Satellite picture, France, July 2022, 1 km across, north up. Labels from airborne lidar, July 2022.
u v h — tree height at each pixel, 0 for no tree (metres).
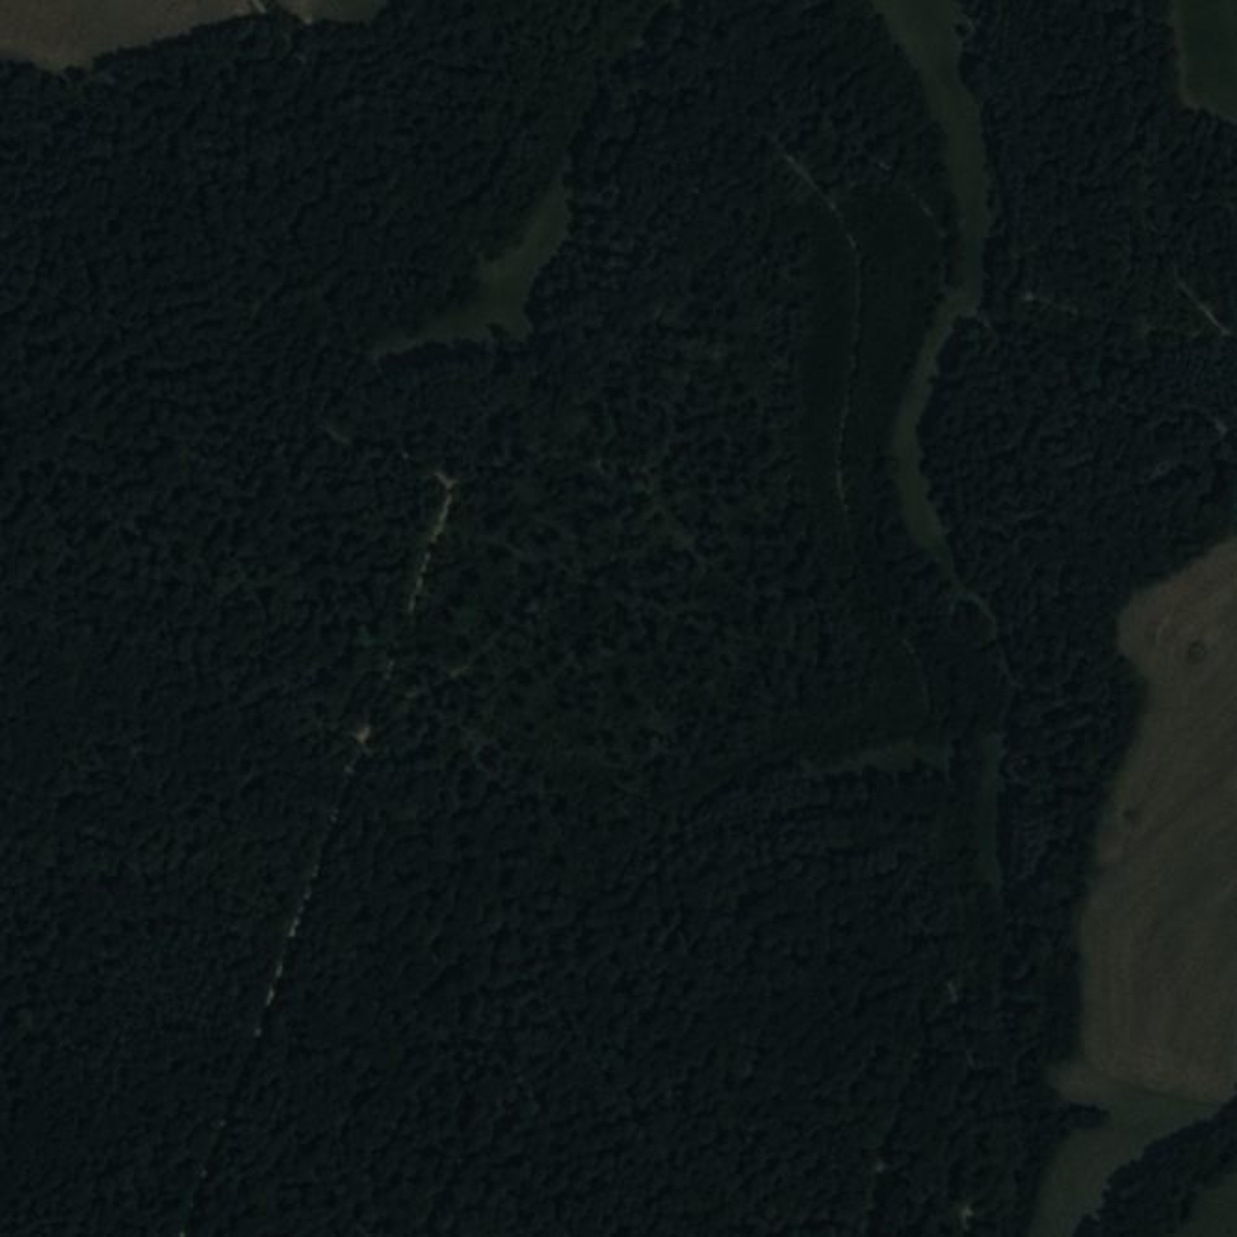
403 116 11
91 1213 25
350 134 26
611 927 29
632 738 8
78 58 0
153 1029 13
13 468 36
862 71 11
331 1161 31
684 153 28
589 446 14
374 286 25
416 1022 28
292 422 27
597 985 30
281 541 32
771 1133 33
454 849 12
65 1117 19
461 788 24
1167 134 25
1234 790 0
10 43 0
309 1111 30
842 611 29
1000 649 13
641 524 32
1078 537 22
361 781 19
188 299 30
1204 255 19
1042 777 30
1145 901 0
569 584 11
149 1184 26
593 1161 31
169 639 28
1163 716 0
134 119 25
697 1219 28
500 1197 31
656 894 32
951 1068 32
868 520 10
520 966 21
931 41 0
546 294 14
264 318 27
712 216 30
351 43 19
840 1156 33
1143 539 25
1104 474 24
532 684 34
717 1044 34
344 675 33
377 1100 30
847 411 13
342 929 27
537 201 14
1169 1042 0
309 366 19
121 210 23
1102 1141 0
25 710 15
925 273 15
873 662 20
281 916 22
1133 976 0
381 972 29
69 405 30
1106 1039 0
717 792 13
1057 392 29
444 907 35
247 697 28
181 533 35
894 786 22
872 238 12
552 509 6
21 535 30
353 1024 27
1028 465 27
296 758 26
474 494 23
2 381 30
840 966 37
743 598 6
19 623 25
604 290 23
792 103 29
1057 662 30
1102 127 24
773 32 22
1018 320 26
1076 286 21
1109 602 19
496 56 9
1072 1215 0
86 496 33
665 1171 28
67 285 25
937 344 0
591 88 18
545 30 30
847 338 14
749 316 21
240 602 15
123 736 27
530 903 28
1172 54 23
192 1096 24
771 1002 33
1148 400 26
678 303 19
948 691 12
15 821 26
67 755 22
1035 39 25
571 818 31
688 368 24
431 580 14
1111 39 27
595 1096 31
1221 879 0
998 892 10
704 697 7
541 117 33
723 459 27
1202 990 0
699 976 33
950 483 18
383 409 29
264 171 27
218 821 27
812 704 20
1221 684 0
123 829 27
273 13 7
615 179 20
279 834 27
